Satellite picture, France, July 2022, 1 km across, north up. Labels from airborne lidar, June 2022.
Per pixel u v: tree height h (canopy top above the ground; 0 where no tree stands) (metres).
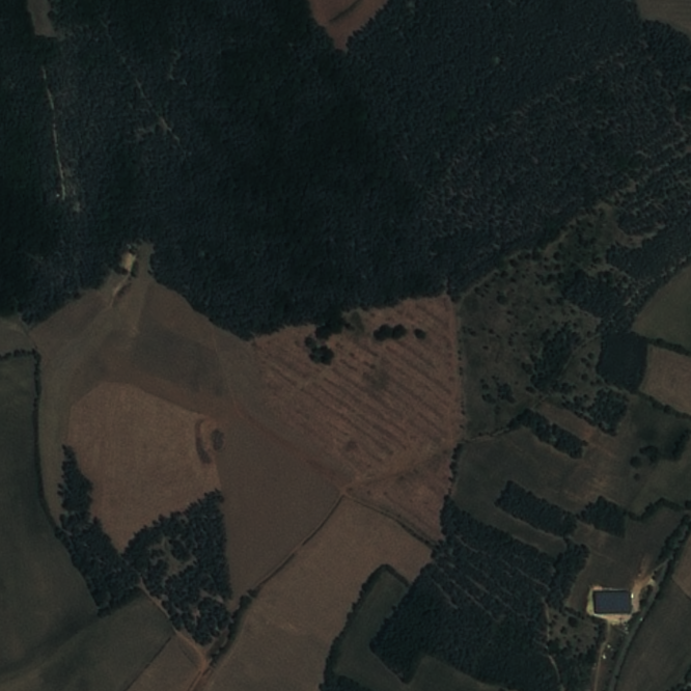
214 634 17
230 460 0
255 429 0
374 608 0
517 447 0
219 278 15
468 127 14
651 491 0
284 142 15
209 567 19
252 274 16
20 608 0
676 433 0
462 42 19
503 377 0
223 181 14
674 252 7
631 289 9
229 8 16
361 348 0
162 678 0
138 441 0
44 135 9
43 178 10
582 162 17
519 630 9
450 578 13
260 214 15
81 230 6
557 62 10
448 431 0
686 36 13
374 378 0
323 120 17
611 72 12
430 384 0
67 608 0
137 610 0
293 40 15
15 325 0
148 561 12
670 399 0
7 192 15
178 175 13
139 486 0
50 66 7
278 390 0
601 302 16
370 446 0
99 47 16
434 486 0
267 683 0
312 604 0
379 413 0
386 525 0
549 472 0
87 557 18
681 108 11
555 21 10
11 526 0
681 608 0
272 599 0
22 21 14
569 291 16
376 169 19
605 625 9
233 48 13
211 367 0
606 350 13
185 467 0
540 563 12
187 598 9
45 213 16
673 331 0
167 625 0
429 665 0
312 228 18
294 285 15
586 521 17
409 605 24
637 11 11
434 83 15
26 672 0
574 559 15
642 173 11
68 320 0
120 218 16
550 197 17
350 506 0
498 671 9
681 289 0
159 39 16
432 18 7
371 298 16
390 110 16
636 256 10
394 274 16
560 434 12
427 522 0
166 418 0
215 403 0
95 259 13
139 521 0
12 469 0
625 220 16
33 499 0
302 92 20
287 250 16
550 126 19
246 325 15
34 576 0
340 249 17
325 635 0
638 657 0
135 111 9
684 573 0
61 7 8
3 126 11
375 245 15
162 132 9
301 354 0
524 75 14
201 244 14
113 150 12
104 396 0
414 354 0
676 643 0
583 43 13
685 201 14
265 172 16
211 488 0
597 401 9
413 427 0
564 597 7
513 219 15
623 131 15
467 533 19
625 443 0
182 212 15
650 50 14
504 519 0
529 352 0
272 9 15
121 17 12
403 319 0
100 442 0
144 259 0
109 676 0
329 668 10
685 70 20
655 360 0
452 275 19
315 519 0
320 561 0
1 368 0
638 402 0
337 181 13
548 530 15
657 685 0
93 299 0
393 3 17
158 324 0
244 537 0
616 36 13
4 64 12
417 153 15
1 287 17
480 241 13
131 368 0
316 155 15
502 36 15
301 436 0
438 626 18
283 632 0
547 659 7
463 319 0
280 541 0
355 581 0
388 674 0
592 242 11
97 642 0
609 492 0
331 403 0
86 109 8
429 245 11
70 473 15
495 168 17
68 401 0
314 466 0
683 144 11
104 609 8
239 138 14
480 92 14
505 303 12
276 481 0
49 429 0
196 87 16
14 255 12
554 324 8
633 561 0
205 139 15
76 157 7
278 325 17
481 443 0
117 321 0
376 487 0
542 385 13
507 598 17
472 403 0
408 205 14
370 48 16
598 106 13
